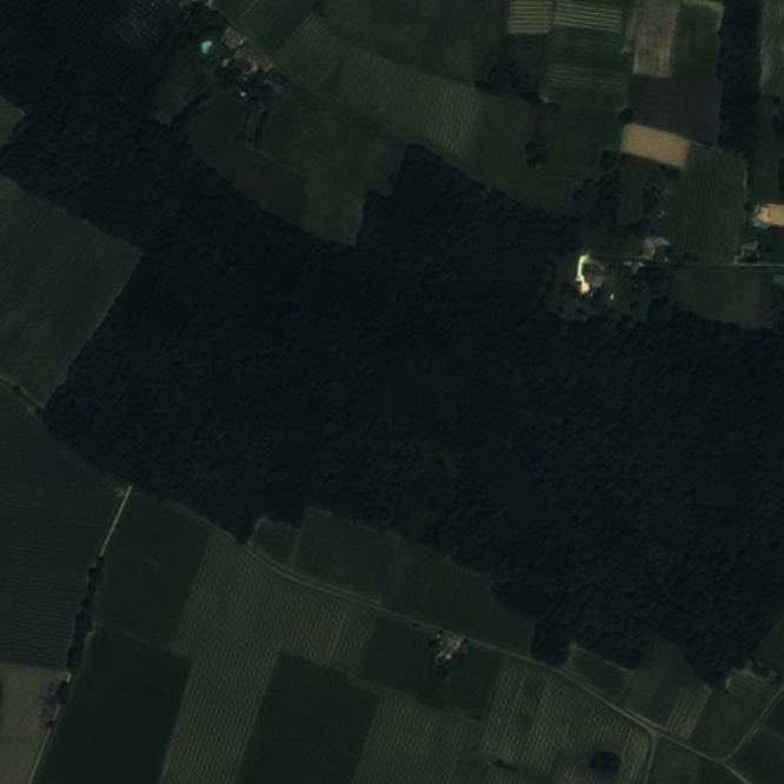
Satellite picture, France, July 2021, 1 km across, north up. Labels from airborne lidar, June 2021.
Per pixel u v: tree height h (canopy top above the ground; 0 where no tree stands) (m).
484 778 0
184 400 11
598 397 15
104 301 0
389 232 21
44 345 0
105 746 0
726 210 0
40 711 0
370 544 0
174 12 15
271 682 0
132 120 22
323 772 0
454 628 0
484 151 0
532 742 0
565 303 0
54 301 0
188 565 0
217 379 18
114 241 0
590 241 0
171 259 21
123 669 0
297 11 0
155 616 0
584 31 0
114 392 24
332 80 0
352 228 0
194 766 0
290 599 0
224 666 0
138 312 11
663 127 0
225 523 14
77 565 0
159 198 27
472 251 26
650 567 20
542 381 19
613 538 18
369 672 0
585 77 0
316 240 7
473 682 0
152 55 16
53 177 19
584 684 0
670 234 0
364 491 17
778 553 18
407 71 0
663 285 19
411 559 0
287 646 0
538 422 25
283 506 16
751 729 0
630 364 21
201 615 0
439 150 0
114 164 20
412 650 0
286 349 26
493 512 21
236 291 21
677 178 10
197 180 15
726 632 23
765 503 24
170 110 0
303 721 0
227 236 16
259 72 9
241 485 18
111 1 23
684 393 19
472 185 18
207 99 12
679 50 0
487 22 0
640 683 0
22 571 0
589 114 0
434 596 0
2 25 22
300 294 23
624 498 17
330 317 18
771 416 21
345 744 0
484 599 0
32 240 0
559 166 0
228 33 0
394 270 24
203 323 20
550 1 0
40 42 17
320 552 0
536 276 24
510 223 21
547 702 0
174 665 0
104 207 21
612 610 23
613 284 0
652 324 16
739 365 21
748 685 0
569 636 20
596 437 19
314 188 0
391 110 0
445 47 0
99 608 0
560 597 17
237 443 25
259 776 0
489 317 23
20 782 0
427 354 20
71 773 0
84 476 0
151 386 11
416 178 18
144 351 14
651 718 0
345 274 22
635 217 0
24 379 0
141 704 0
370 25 0
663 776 0
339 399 17
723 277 0
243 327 24
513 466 20
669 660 0
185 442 18
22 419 0
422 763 0
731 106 15
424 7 0
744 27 17
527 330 26
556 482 24
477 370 18
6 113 0
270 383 23
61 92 18
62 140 22
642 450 20
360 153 0
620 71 0
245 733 0
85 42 22
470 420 22
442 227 23
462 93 0
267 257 22
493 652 0
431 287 27
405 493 6
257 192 0
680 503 22
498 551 24
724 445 20
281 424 21
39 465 0
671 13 0
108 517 0
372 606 0
